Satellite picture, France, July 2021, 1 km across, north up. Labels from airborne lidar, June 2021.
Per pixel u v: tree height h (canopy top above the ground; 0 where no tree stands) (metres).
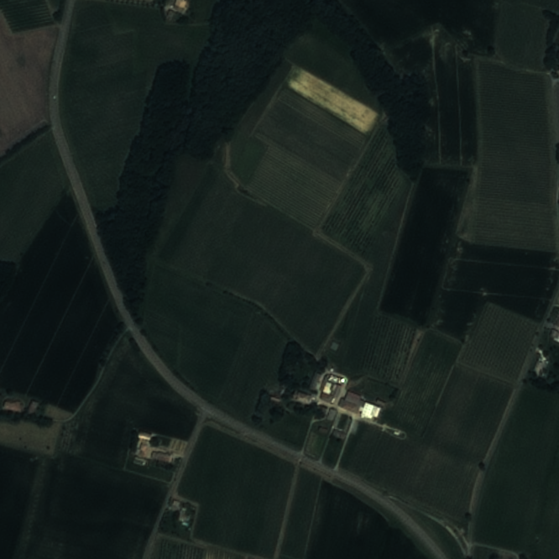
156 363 0
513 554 0
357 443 0
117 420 0
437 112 0
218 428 0
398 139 15
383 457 0
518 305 0
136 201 22
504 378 0
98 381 0
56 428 0
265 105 0
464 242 0
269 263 0
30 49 0
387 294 0
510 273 0
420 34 0
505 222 0
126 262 21
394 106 24
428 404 0
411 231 0
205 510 0
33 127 0
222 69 25
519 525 0
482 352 0
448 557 0
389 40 0
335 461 0
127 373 0
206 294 0
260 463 0
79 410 0
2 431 0
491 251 0
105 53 0
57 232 0
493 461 0
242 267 0
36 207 0
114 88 0
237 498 0
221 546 0
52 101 0
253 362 0
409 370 0
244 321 0
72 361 0
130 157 10
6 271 19
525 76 0
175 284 0
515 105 0
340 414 0
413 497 0
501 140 0
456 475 0
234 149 0
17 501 0
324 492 0
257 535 0
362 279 0
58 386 0
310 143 0
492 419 0
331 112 0
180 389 0
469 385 0
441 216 0
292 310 0
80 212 0
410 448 0
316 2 28
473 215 0
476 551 0
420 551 0
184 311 0
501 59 0
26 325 0
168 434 0
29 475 0
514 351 0
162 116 27
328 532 0
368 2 0
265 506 0
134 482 0
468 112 0
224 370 0
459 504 0
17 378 0
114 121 0
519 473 0
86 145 0
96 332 0
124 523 0
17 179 0
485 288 0
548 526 0
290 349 13
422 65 0
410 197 0
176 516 8
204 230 0
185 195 0
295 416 0
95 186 0
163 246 0
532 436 0
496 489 0
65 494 0
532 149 0
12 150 8
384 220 0
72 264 0
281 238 0
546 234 0
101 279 0
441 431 0
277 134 0
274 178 0
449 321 0
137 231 25
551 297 0
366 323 0
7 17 0
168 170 23
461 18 0
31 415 10
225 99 26
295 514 0
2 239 0
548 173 0
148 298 0
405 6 0
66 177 0
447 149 0
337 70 0
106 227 16
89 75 0
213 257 0
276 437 0
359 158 0
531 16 0
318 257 0
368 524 0
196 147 27
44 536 0
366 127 0
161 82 17
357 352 0
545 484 0
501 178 0
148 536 0
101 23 0
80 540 0
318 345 0
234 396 0
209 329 0
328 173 0
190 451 0
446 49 0
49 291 0
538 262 0
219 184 0
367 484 0
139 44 0
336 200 0
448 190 0
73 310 0
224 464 0
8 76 0
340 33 23
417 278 0
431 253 0
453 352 0
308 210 0
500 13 0
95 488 0
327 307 0
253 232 0
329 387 0
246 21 22
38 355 0
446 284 0
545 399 0
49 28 0
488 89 0
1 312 0
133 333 0
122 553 0
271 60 22
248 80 23
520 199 0
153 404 0
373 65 27
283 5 18
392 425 0
